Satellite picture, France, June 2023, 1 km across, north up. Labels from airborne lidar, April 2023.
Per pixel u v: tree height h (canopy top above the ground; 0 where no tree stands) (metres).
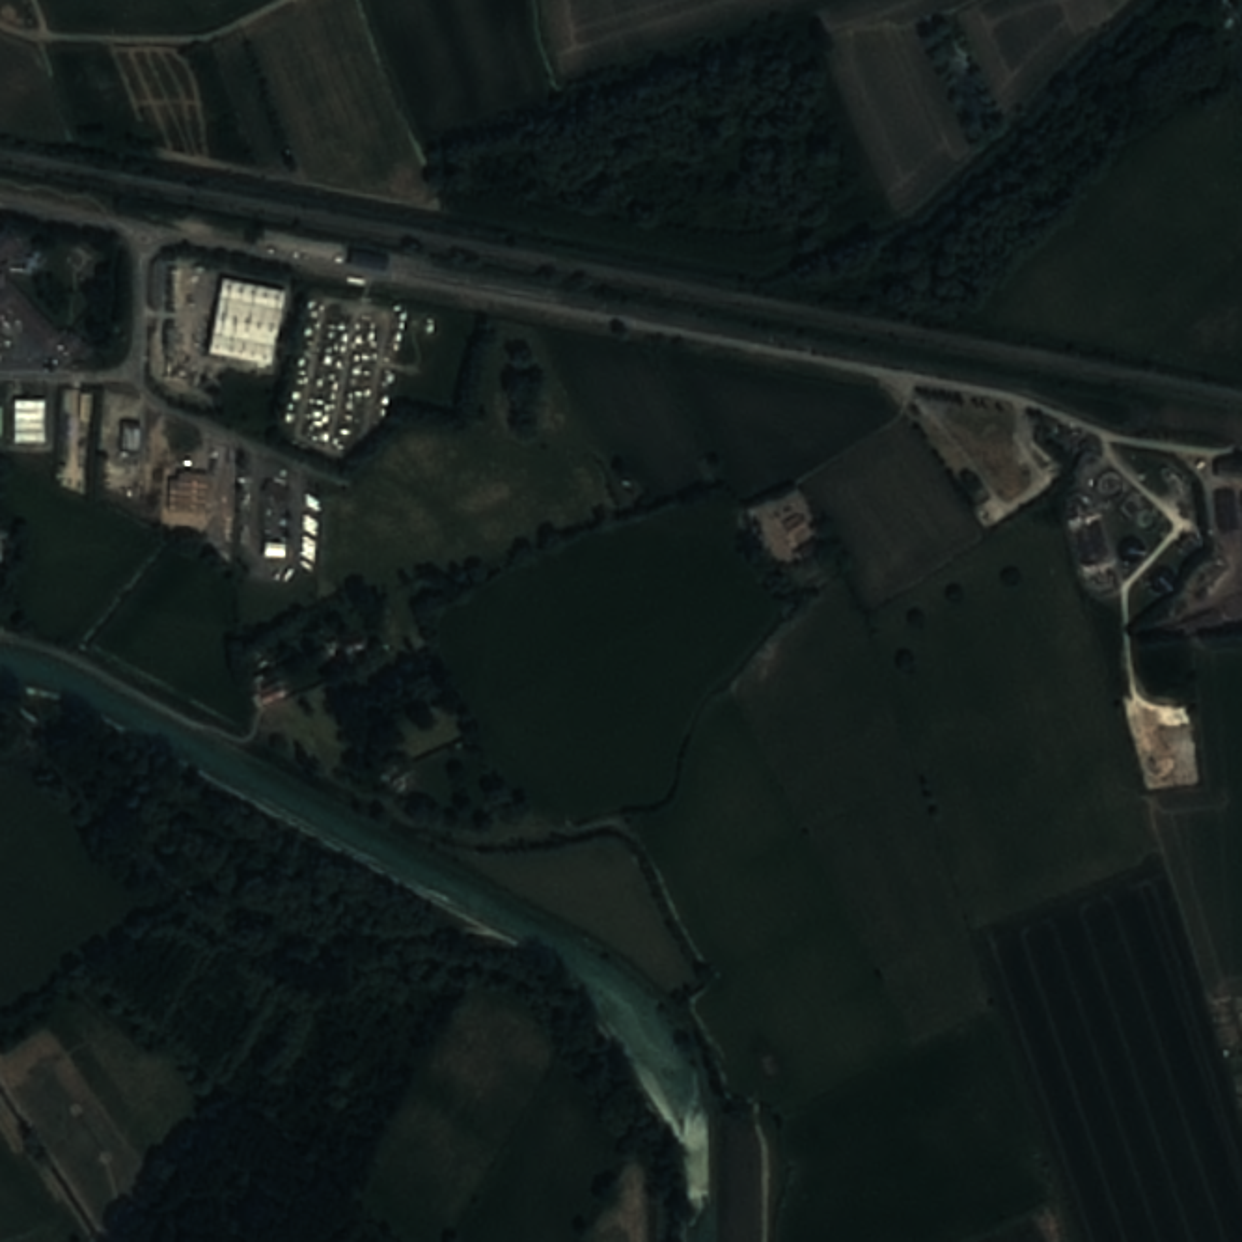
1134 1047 0
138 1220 30
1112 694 0
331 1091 16
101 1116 0
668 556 0
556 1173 0
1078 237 0
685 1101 0
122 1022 0
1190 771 0
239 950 21
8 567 14
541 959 28
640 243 0
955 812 0
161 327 0
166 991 22
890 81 0
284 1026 16
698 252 0
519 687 0
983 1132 0
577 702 0
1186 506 0
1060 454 11
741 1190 0
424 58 0
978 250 18
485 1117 0
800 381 0
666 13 0
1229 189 0
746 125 6
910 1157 0
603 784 0
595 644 0
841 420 0
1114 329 0
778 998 0
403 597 0
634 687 0
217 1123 27
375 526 0
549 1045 0
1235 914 0
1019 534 0
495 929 0
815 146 21
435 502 0
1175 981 0
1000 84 0
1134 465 0
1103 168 10
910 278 20
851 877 0
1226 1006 0
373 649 9
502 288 0
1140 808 0
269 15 0
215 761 0
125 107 0
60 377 0
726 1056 0
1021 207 21
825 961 0
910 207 0
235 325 0
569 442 0
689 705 0
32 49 0
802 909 0
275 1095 23
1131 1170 0
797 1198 0
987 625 0
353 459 9
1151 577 0
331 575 0
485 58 0
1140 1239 0
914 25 0
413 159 0
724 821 0
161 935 23
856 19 0
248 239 0
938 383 0
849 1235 0
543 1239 0
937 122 0
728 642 0
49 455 0
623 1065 25
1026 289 0
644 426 0
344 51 0
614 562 0
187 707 0
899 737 0
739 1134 0
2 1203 0
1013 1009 0
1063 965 0
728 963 0
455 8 0
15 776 0
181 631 0
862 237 20
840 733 0
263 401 0
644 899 0
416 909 21
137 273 0
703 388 0
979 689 0
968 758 0
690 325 0
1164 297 0
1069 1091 0
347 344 0
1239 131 0
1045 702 0
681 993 7
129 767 16
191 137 0
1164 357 0
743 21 0
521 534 0
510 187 8
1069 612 0
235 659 14
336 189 0
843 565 8
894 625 0
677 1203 25
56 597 0
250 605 0
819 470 0
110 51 0
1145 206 0
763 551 23
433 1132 0
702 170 6
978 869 0
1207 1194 0
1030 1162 0
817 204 23
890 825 0
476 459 0
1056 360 0
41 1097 0
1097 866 0
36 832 0
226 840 7
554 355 0
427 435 0
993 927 0
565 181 21
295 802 0
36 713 17
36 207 0
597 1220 0
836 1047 0
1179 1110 0
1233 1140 0
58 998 10
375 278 0
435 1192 0
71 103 0
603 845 0
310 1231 33
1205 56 21
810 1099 0
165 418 0
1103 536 0
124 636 0
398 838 0
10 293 0
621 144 24
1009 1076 0
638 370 0
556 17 0
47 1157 19
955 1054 0
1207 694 0
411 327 0
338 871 21
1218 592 0
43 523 0
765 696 0
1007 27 0
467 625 0
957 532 0
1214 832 0
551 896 0
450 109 0
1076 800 0
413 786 0
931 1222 0
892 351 0
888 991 0
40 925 0
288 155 9
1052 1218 0
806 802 0
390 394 0
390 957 15
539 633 0
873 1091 0
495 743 0
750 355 0
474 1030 0
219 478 0
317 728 0
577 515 0
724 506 0
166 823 21
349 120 0
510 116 6
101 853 28
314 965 25
